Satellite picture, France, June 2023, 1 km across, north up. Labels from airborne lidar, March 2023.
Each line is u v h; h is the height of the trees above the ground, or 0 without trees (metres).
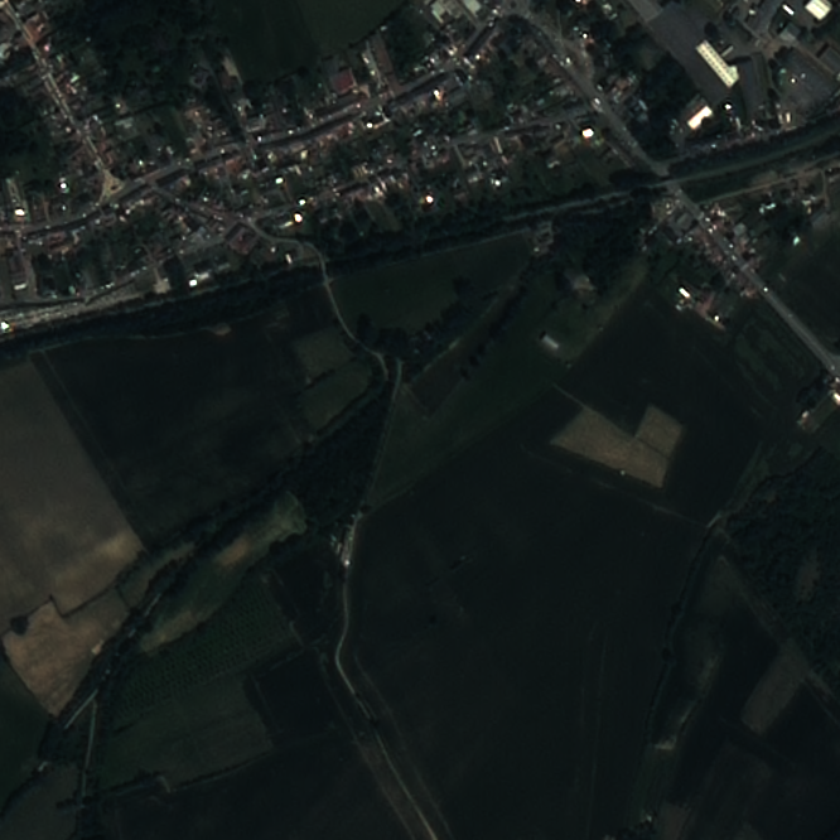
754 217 0
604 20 14
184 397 0
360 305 0
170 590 13
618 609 0
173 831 0
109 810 0
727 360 0
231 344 0
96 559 0
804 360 0
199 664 0
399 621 0
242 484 0
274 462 0
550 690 0
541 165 0
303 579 0
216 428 0
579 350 0
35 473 0
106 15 36
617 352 0
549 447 0
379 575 0
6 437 0
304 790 0
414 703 0
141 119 0
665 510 0
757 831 0
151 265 0
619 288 0
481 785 0
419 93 0
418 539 0
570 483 0
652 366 0
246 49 0
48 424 0
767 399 0
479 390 0
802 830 0
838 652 9
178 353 0
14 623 11
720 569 0
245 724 0
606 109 0
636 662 0
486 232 7
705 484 0
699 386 0
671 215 0
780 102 0
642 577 0
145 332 11
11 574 0
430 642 0
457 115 8
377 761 0
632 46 17
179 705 0
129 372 0
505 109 0
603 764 0
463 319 27
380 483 0
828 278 0
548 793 0
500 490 0
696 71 0
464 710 0
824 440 0
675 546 0
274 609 0
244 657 0
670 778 0
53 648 0
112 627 0
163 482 0
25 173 0
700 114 0
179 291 15
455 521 0
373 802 0
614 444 0
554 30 0
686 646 0
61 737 9
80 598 0
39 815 0
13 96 20
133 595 0
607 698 0
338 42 0
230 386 0
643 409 0
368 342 19
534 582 0
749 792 0
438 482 0
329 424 6
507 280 0
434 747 0
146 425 0
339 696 0
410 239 17
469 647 0
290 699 0
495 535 0
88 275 0
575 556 0
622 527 0
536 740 0
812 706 0
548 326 0
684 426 0
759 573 8
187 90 7
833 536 6
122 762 0
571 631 0
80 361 0
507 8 0
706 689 0
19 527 0
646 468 0
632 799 0
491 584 0
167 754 0
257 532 0
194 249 0
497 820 0
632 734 0
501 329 19
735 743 0
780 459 0
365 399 7
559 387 0
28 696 0
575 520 0
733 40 0
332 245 18
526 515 0
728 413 0
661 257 8
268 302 12
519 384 0
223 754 0
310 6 0
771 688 0
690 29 0
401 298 0
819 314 0
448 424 0
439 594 0
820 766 0
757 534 16
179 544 7
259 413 0
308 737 0
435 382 0
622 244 13
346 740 0
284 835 0
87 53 0
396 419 0
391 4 0
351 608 0
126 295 0
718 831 0
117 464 0
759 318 0
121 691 7
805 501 14
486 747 0
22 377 0
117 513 0
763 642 0
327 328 0
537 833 0
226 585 0
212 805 0
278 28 0
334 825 0
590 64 0
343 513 10
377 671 0
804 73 0
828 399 0
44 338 13
